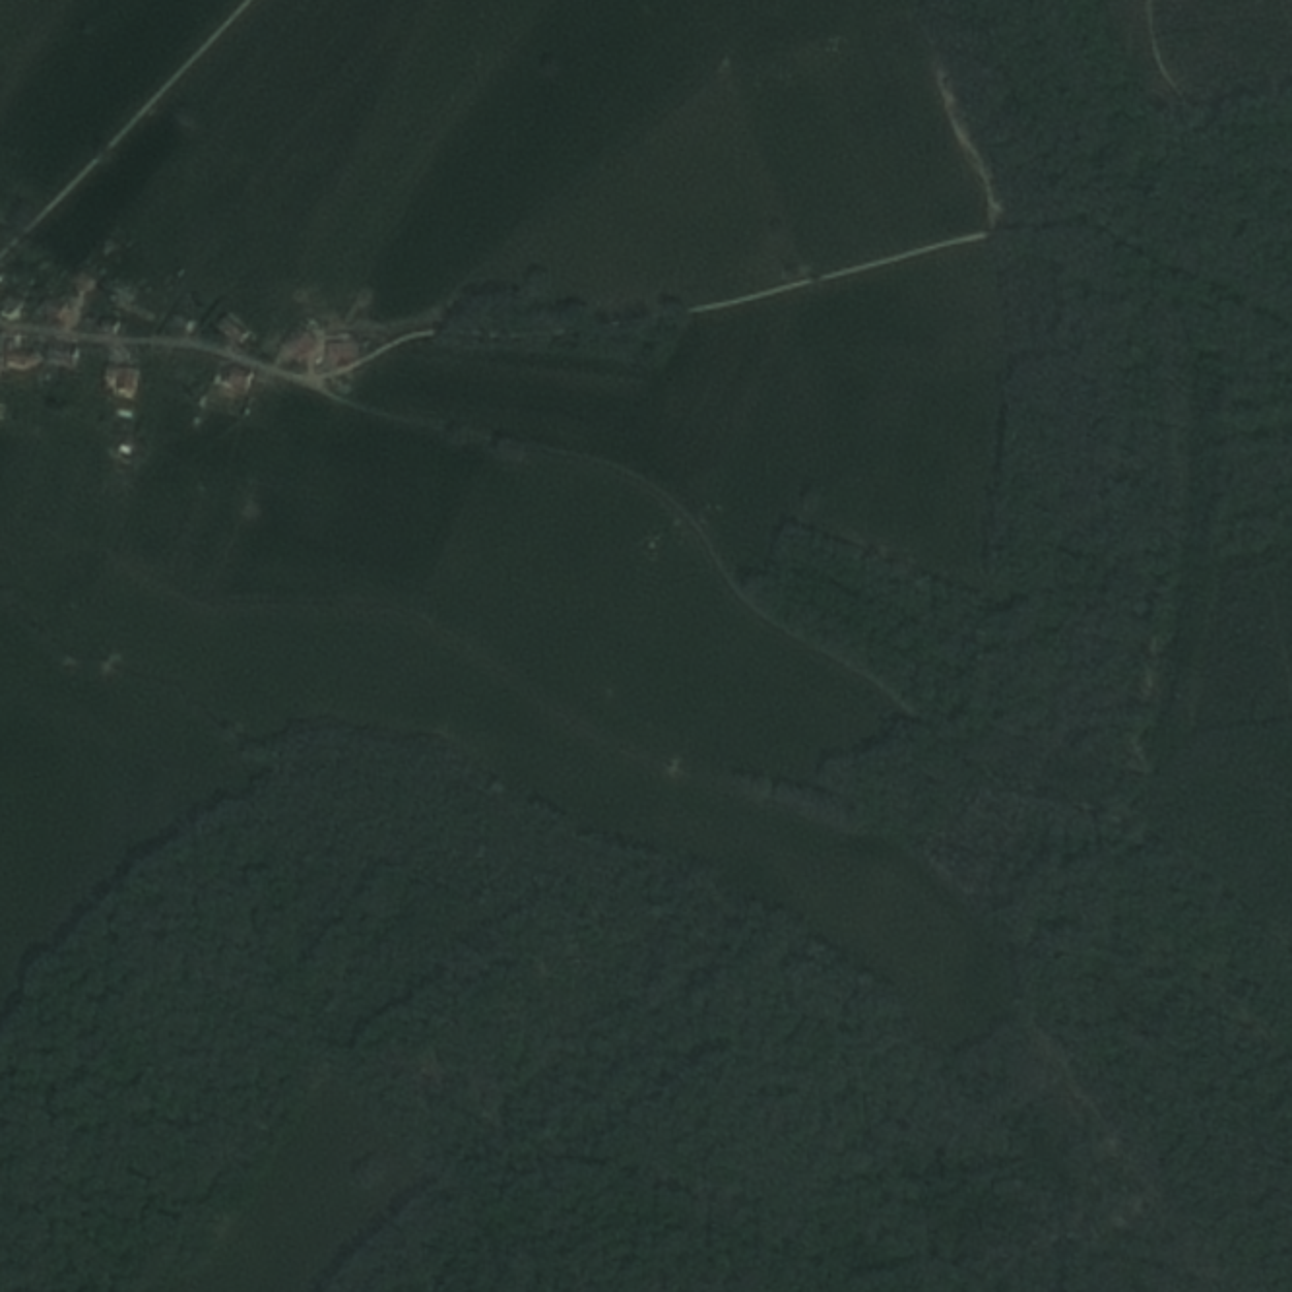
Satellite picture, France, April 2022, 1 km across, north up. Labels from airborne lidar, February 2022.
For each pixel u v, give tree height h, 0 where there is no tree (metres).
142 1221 23
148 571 0
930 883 0
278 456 0
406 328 0
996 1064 16
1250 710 7
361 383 0
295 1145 0
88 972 22
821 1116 28
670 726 0
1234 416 26
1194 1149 26
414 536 0
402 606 0
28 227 18
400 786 12
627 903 15
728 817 0
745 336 0
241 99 0
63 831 0
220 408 0
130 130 0
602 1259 24
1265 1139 30
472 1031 24
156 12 0
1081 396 29
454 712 0
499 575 0
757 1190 25
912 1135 27
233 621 0
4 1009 0
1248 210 27
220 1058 26
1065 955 28
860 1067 27
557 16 0
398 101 0
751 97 0
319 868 13
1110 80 24
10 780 0
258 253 0
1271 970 23
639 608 0
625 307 0
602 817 0
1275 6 5
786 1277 24
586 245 0
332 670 0
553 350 9
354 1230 0
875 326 0
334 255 0
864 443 0
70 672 0
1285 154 30
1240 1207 29
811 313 0
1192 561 10
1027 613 28
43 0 0
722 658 0
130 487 0
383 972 11
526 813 8
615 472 0
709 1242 23
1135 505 29
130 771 0
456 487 0
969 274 0
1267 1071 25
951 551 0
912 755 29
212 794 0
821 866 0
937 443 0
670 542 0
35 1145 28
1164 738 10
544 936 24
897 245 0
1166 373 28
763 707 0
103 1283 22
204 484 0
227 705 0
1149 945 20
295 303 0
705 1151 28
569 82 0
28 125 0
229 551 0
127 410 0
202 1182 28
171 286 0
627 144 0
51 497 0
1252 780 12
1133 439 22
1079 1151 21
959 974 0
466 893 16
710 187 0
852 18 0
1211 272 26
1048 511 25
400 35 0
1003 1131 26
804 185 0
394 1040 23
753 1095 28
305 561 0
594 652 0
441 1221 27
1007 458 17
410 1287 22
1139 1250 19
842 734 0
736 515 0
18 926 0
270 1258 0
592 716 0
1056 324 16
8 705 0
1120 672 27
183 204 0
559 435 0
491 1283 21
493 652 0
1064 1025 12
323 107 0
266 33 0
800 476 0
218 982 26
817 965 21
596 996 15
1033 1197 22
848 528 0
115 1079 23
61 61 0
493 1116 27
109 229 0
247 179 0
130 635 0
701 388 0
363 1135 0
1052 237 23
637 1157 22
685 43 0
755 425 0
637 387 0
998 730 20
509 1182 30
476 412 0
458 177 0
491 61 0
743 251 0
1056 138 23
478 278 0
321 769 15
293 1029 22
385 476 0
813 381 0
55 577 0
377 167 0
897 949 0
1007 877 19
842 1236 21
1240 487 19
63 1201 27
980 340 0
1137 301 27
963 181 0
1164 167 20
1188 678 15
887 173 0
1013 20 23
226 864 22
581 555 0
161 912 23
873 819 22
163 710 0
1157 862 26
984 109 22
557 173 0
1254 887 10
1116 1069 18
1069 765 9
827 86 0
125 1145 27
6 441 0
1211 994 18
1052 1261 10
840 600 19
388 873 21
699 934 25
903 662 18
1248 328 28
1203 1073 28
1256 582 7
